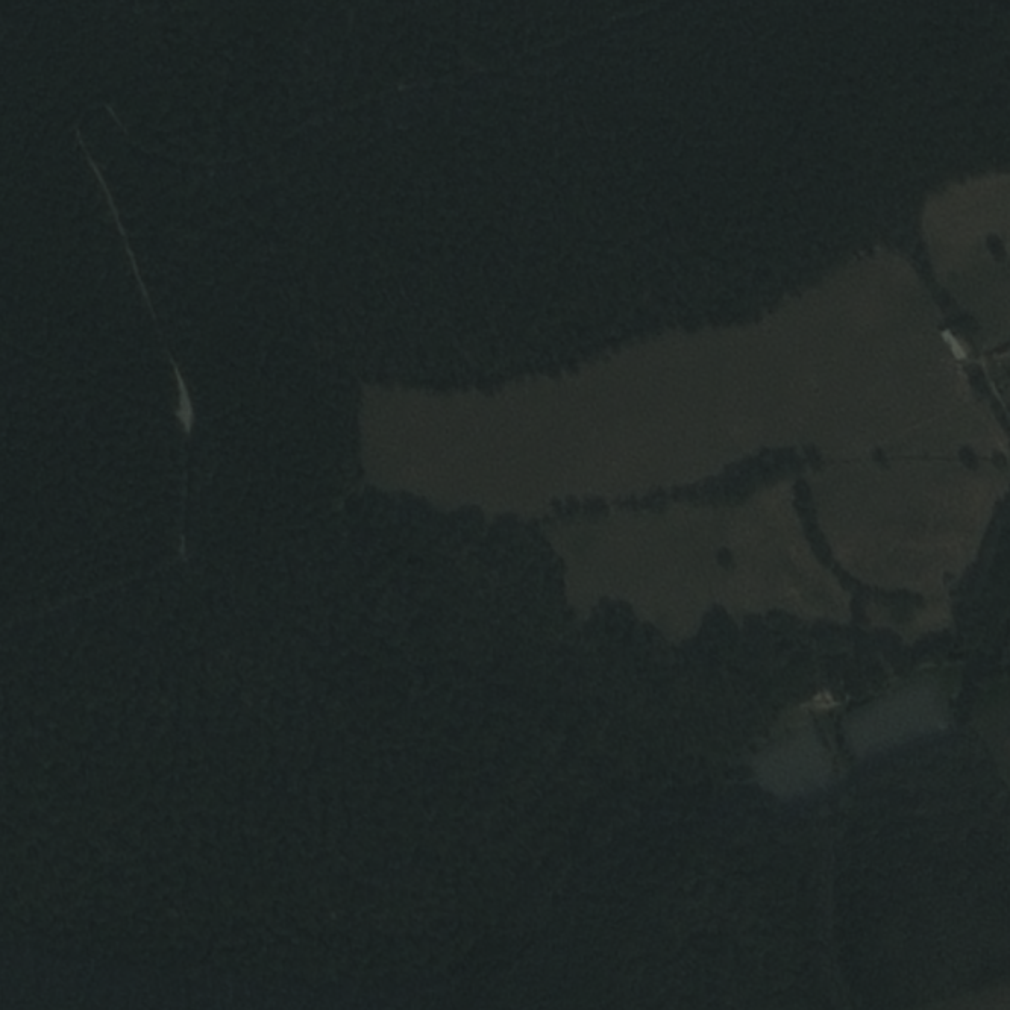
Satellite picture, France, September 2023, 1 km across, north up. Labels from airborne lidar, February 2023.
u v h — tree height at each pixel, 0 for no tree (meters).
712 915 19
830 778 0
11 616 16
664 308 19
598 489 0
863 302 0
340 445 22
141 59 23
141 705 21
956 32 27
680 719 20
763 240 19
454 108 23
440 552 18
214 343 23
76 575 19
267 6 31
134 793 24
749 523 0
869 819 16
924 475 0
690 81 21
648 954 20
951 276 0
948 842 19
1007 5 26
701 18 19
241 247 24
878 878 21
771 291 17
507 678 18
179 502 13
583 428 0
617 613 12
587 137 27
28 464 26
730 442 0
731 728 25
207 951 10
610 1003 21
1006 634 10
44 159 20
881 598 13
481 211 25
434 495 0
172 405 19
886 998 21
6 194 21
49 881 20
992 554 15
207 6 27
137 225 21
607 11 18
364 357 22
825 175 24
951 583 12
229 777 26
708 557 0
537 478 0
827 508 0
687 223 24
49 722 20
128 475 21
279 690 15
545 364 13
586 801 12
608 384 0
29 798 25
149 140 28
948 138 24
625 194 24
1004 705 0
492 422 0
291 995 35
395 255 23
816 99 27
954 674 0
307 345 23
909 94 21
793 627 10
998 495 0
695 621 0
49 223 21
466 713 31
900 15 24
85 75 23
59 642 22
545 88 25
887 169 18
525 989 23
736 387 0
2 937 25
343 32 24
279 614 20
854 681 17
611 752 14
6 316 25
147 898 29
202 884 25
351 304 24
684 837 25
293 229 24
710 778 19
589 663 18
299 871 25
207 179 26
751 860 19
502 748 23
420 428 0
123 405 21
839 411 0
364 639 27
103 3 21
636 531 0
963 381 0
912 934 21
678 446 0
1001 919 17
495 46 25
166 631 22
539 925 24
